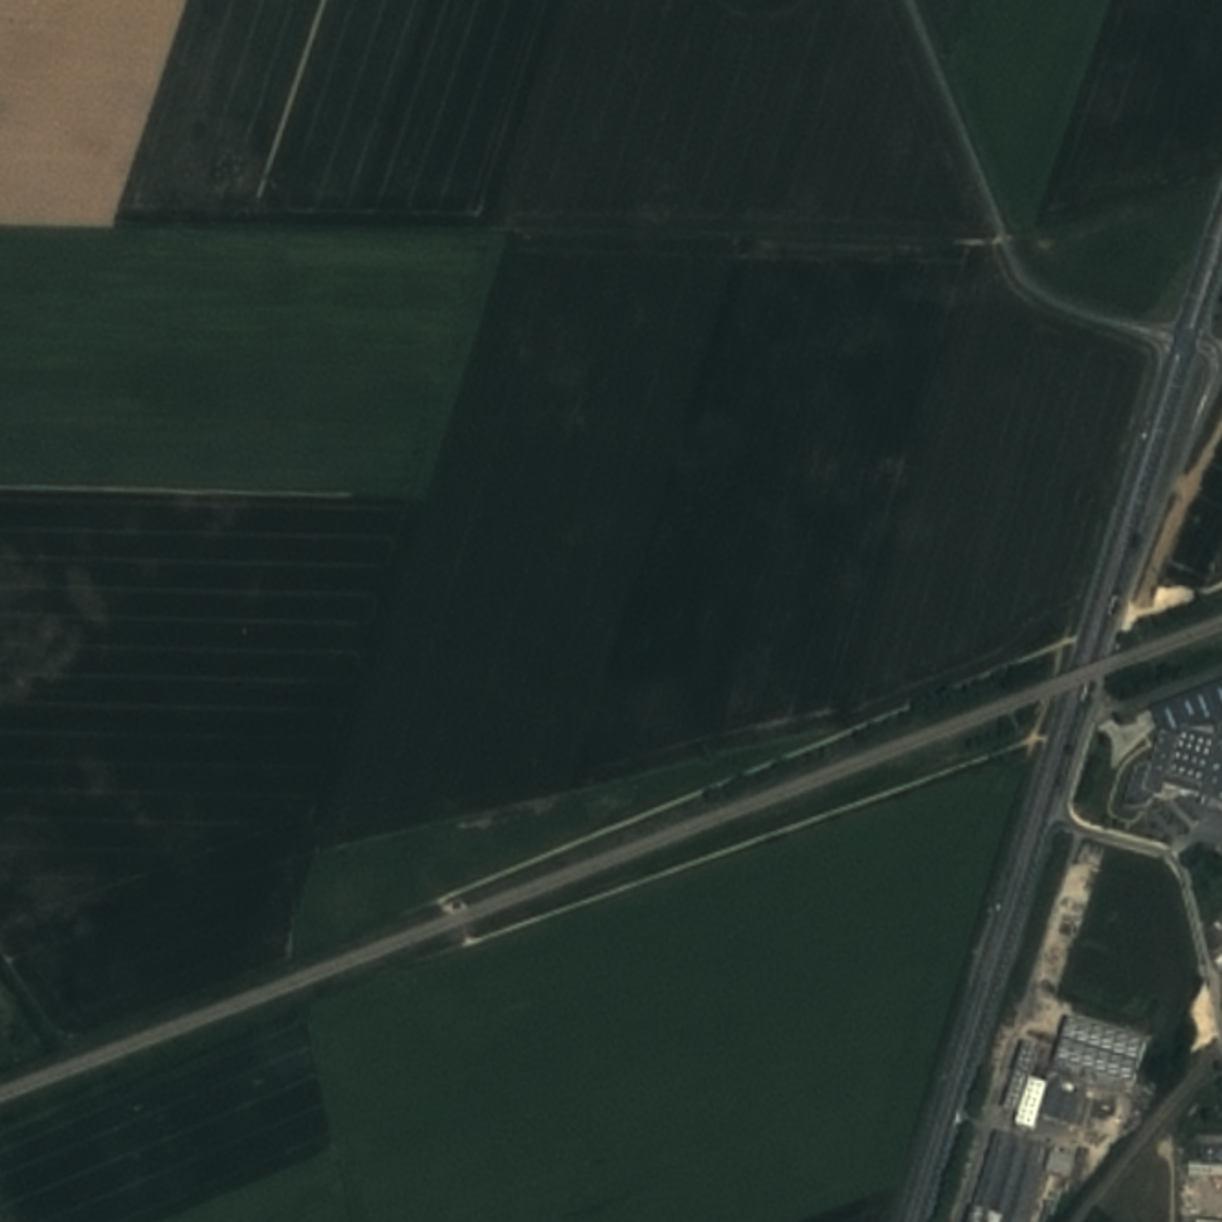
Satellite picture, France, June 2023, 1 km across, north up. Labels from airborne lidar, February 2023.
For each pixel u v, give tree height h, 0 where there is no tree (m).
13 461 0
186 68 0
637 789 0
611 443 0
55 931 0
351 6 0
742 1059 0
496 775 0
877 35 0
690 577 0
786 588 0
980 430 0
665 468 0
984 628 0
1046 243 0
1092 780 9
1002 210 0
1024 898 0
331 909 0
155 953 0
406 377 0
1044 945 0
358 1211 0
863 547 0
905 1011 0
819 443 0
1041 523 0
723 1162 0
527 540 0
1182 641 0
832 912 0
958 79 0
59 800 0
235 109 0
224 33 0
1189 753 0
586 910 0
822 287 0
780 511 0
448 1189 0
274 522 0
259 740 0
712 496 0
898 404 0
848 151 0
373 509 0
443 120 0
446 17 0
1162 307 0
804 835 0
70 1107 0
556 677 0
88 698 0
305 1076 0
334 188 0
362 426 0
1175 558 0
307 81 0
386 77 0
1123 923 0
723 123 0
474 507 0
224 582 0
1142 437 0
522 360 0
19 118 0
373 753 0
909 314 0
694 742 0
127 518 0
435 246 0
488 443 0
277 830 0
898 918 0
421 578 0
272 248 0
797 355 0
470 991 0
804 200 0
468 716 0
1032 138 0
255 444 0
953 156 0
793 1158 0
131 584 0
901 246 0
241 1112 0
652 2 0
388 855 0
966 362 0
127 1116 0
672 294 0
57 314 0
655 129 0
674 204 0
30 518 0
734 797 11
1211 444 0
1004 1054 0
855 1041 0
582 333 0
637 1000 0
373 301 0
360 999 0
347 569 0
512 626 0
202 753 0
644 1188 0
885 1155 0
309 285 0
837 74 0
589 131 0
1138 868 0
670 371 0
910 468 0
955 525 0
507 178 0
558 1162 0
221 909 0
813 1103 0
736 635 0
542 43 0
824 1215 0
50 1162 0
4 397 0
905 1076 0
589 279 0
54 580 0
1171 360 0
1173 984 0
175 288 0
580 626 0
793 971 0
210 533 0
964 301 0
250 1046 0
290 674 0
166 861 0
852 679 0
